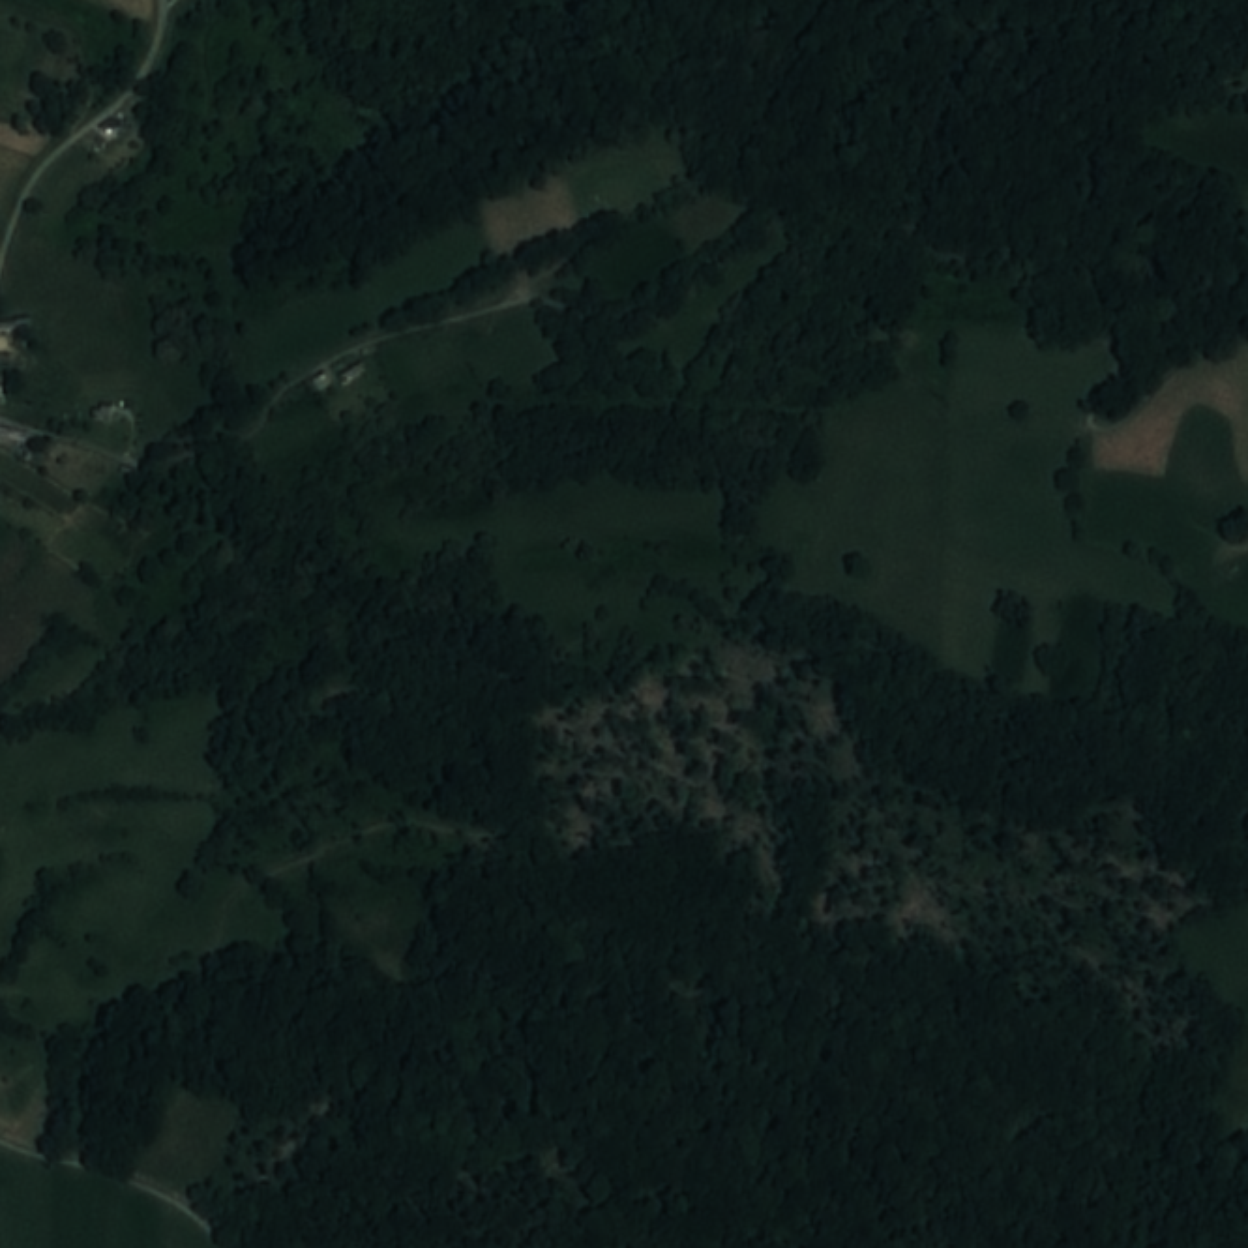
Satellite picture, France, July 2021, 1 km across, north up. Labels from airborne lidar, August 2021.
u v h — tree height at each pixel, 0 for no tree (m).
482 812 26
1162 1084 19
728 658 0
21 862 0
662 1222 24
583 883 24
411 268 0
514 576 0
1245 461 0
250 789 25
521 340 0
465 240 0
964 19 34
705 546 0
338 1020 24
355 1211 23
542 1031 29
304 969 32
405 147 48
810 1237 30
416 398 0
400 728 29
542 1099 28
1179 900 28
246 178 15
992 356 0
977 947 23
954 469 0
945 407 0
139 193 22
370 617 21
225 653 29
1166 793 23
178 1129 0
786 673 17
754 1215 29
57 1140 23
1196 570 0
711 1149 21
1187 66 32
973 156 28
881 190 18
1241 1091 0
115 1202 0
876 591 0
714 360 17
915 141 21
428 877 15
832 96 28
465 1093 20
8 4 0
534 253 22
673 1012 28
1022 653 0
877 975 26
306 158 23
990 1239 25
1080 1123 28
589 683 18
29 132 8
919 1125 26
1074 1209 33
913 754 27
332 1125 23
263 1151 22
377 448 14
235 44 9
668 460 21
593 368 21
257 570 11
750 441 15
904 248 18
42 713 14
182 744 0
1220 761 29
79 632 13
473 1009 29
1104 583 0
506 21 14
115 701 10
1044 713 24
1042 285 23
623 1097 26
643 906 25
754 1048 29
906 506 0
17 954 11
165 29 0
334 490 11
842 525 0
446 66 15
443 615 16
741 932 30
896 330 16
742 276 0
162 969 0
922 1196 22
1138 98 35
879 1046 31
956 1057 28
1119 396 28
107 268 15
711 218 0
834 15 27
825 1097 27
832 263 30
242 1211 24
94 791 7
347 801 19
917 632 0
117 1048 31
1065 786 28
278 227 32
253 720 23
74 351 0
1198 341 33
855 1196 30
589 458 21
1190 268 31
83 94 16
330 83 16
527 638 18
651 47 18
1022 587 0
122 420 0
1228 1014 26
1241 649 26
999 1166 19
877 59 28
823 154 33
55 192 0
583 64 31
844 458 0
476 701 25
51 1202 0
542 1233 24
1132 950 25
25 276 0
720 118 25
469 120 37
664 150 0
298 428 0
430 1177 21
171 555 22
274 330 0
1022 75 24
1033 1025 23
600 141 22
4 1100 0
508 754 27
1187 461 0
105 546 0
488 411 20
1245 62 29
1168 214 34
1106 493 0
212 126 15
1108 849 28
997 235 22
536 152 28
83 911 0
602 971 25
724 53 28
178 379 0
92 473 0
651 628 0
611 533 0
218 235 0
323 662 26
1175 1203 17
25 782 0
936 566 0
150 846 0
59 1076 12
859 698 32
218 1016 29
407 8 8
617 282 0
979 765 28
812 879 32
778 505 0
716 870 26
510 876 24
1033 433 0
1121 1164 19
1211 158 0
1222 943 0
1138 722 28
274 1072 15
